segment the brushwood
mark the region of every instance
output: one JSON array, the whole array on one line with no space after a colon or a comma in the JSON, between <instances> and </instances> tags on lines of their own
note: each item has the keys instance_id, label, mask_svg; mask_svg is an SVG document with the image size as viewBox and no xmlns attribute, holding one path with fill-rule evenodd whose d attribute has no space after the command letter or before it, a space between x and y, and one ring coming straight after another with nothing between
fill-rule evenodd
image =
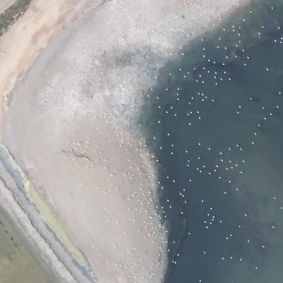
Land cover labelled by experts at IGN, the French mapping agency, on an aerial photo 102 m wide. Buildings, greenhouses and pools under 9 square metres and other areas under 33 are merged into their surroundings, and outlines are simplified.
<instances>
[{"instance_id":1,"label":"brushwood","mask_svg":"<svg viewBox=\"0 0 283 283\"><path fill-rule=\"evenodd\" d=\"M32 0L0 0L0 38L2 30L8 29L22 17Z\"/></svg>"}]
</instances>

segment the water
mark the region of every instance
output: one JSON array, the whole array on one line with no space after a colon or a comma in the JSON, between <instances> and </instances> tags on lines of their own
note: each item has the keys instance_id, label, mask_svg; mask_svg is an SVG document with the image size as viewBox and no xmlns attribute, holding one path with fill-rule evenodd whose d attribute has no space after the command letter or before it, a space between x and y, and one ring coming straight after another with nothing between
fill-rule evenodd
<instances>
[{"instance_id":1,"label":"water","mask_svg":"<svg viewBox=\"0 0 283 283\"><path fill-rule=\"evenodd\" d=\"M161 283L283 283L283 0L250 0L245 6L231 12L228 19L222 21L218 28L198 35L196 39L184 45L184 56L181 59L177 57L175 60L168 60L165 66L160 67L157 84L153 90L143 91L144 104L140 108L137 123L140 124L149 153L158 158L158 164L155 165L157 190L150 195L155 210L160 214L161 226L168 230L169 251L164 281Z\"/></svg>"},{"instance_id":2,"label":"water","mask_svg":"<svg viewBox=\"0 0 283 283\"><path fill-rule=\"evenodd\" d=\"M53 269L52 262L45 263L36 256L30 242L0 205L0 283L66 283Z\"/></svg>"}]
</instances>

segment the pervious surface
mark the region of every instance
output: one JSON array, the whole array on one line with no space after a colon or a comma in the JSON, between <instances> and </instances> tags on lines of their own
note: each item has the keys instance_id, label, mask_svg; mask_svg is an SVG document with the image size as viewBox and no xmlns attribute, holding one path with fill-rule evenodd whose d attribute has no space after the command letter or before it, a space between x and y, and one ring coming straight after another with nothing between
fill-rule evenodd
<instances>
[{"instance_id":1,"label":"pervious surface","mask_svg":"<svg viewBox=\"0 0 283 283\"><path fill-rule=\"evenodd\" d=\"M161 283L164 281L169 251L168 230L161 226L160 214L155 210L150 195L157 190L155 165L158 164L158 158L149 153L140 124L137 123L140 108L144 104L143 91L153 90L157 84L160 67L165 66L168 60L175 60L177 57L181 59L184 56L184 45L196 39L198 35L218 28L222 21L228 19L231 12L245 6L250 0L32 0L22 17L8 29L2 30L0 38L0 205L30 242L36 256L45 263L52 262L53 269L66 283Z\"/></svg>"}]
</instances>

